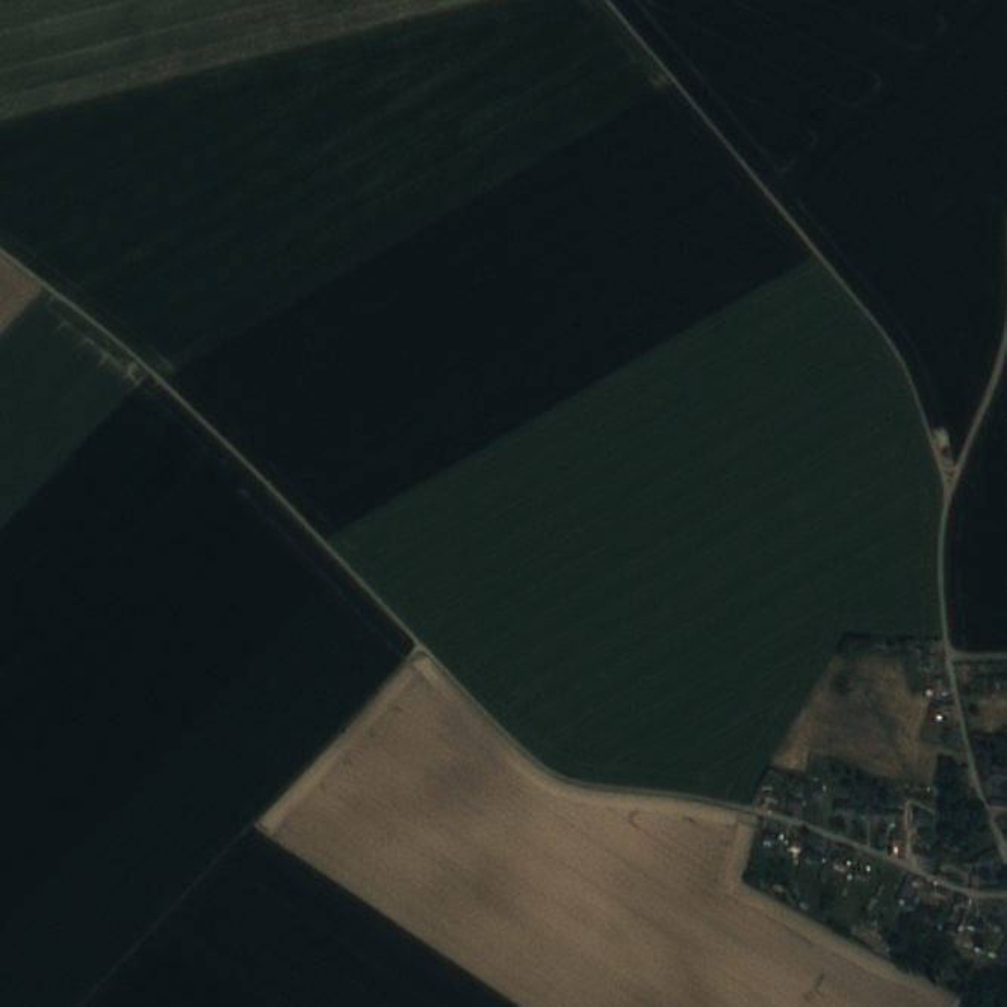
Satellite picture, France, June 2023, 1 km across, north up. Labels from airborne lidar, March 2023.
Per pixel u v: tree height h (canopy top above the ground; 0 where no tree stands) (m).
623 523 0
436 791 0
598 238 0
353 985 0
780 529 0
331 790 0
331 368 0
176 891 0
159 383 0
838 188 0
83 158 0
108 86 0
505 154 0
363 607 0
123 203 0
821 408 0
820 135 0
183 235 0
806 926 0
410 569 0
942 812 14
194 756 0
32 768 0
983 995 22
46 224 0
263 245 0
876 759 0
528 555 0
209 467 0
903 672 0
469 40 0
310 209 0
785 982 0
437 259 0
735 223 0
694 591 0
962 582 0
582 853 0
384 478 0
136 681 0
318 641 0
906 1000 0
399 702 0
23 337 0
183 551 0
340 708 0
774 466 0
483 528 0
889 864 0
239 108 0
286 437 0
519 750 0
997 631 0
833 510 0
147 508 0
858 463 0
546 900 0
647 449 0
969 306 0
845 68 0
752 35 0
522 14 0
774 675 0
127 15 0
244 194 0
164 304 0
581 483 0
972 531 0
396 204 0
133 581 0
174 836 0
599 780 0
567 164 0
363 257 0
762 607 0
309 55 0
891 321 0
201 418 0
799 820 0
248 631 0
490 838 0
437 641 0
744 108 0
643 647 0
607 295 0
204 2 0
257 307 0
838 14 0
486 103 0
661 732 0
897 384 0
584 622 0
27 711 0
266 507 0
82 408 0
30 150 0
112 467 0
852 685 0
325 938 0
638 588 0
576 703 0
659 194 0
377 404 0
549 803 0
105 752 0
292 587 0
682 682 0
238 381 0
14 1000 0
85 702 0
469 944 0
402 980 0
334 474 0
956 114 0
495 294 0
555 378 0
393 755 0
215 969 0
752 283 0
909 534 0
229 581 0
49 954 0
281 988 0
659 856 0
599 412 0
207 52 0
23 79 0
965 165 0
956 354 0
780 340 0
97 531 0
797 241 0
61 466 0
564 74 0
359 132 0
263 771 0
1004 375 0
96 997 0
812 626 0
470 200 0
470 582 0
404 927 0
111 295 0
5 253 0
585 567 0
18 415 0
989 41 0
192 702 0
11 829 0
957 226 0
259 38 0
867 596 0
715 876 0
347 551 0
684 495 0
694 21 0
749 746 0
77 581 0
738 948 0
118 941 0
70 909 0
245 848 0
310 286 0
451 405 0
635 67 0
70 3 0
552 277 0
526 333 0
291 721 0
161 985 0
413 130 0
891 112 0
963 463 0
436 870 0
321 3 0
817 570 0
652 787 0
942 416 0
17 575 0
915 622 0
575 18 0
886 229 0
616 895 0
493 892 0
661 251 0
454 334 0
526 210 0
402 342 0
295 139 0
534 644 0
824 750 0
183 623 0
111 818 0
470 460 0
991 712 0
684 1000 0
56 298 0
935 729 0
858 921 0
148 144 0
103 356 0
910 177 0
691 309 0
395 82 0
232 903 0
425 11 0
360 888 0
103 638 0
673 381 0
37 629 0
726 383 0
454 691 0
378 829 0
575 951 0
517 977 0
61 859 0
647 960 0
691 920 0
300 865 0
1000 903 0
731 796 0
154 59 0
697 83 0
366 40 0
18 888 0
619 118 0
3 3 0
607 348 0
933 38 0
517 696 0
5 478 0
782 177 0
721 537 0
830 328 0
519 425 0
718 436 0
